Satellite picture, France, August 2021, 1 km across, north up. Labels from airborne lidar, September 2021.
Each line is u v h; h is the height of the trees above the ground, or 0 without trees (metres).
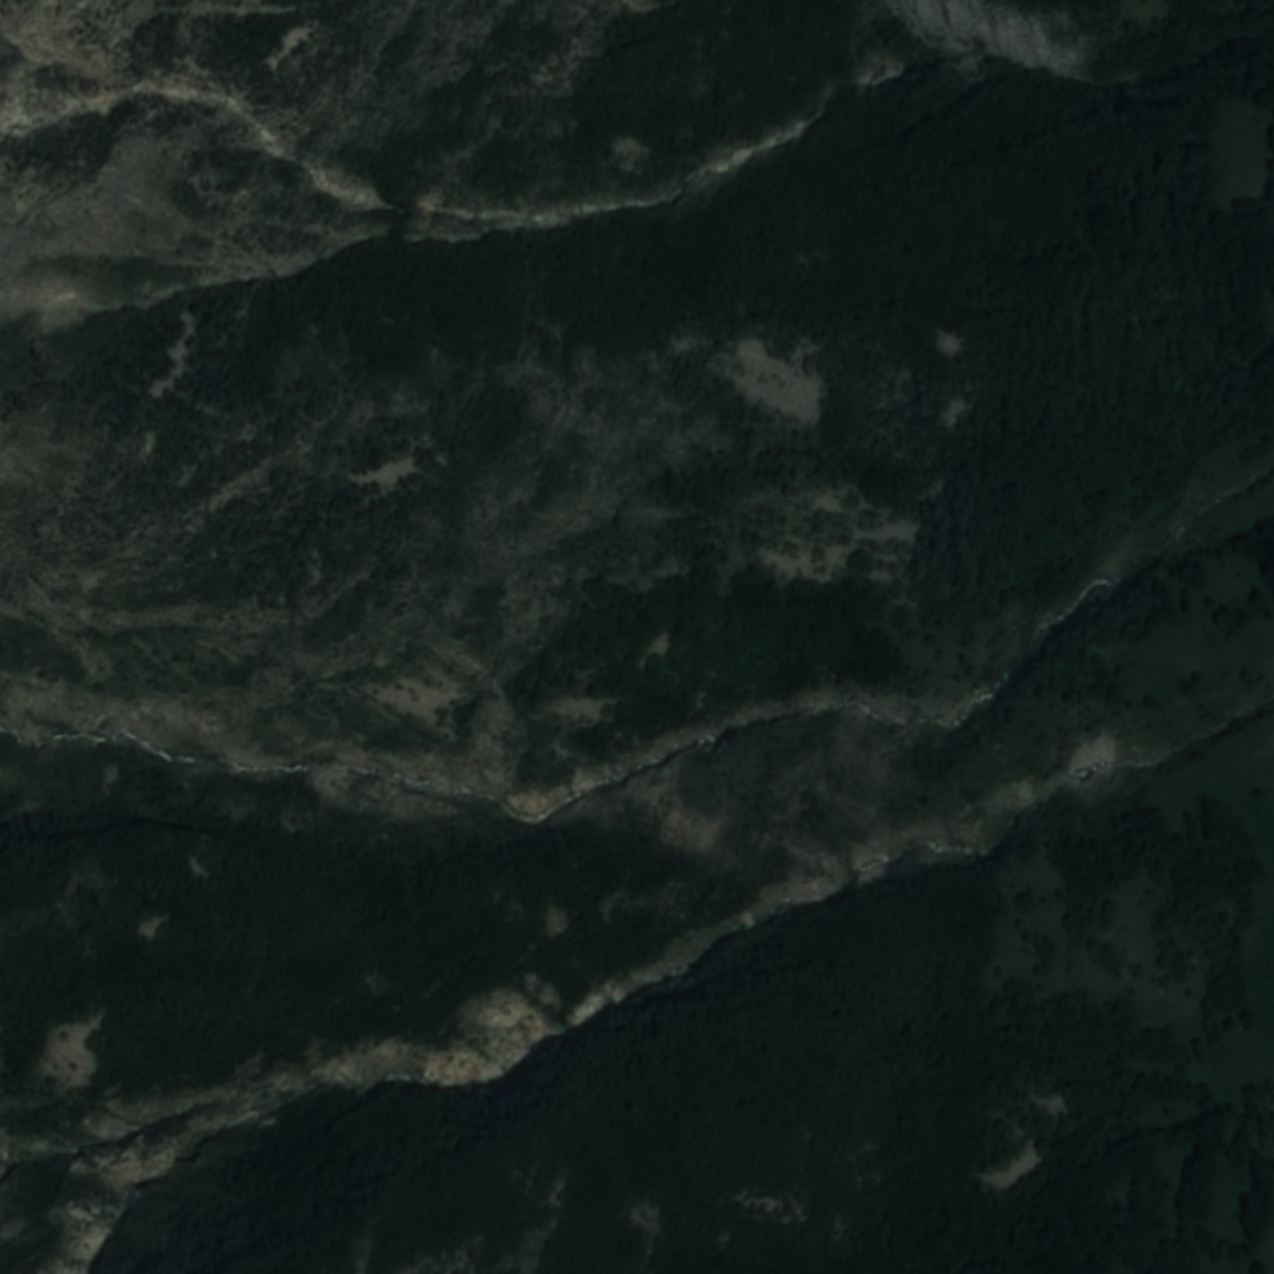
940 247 28
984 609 11
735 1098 22
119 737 0
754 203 13
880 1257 19
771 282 18
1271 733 0
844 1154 9
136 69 9
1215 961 10
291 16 6
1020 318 17
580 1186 10
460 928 11
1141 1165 16
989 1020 12
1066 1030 18
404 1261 6
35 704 0
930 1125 21
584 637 12
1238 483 0
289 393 6
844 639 21
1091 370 20
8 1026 10
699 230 12
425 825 0
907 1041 18
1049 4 25
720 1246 7
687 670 11
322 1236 9
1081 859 15
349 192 0
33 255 0
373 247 7
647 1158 16
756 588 12
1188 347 20
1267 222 24
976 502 23
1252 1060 0
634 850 7
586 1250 11
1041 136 20
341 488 6
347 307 18
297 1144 8
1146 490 11
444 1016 6
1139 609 17
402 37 7
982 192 29
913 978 14
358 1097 15
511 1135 12
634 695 10
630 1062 17
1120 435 17
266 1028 9
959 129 18
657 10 7
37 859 9
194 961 14
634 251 9
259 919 14
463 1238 6
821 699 0
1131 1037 20
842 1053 24
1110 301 18
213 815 6
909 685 7
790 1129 14
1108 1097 16
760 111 11
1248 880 12
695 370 14
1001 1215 19
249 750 0
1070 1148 17
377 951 10
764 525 9
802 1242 8
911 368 10
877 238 20
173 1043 11
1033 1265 16
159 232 0
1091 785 0
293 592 9
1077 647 13
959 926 17
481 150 5
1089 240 7
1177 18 9
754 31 12
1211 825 12
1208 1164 20
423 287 14
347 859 12
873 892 9
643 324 19
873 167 10
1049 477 9
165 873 13
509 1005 0
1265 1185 18
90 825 8
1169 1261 16
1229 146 0
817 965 15
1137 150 28
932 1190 25
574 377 6
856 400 15
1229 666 0
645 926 10
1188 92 18
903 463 11
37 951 7
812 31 13
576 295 14
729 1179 11
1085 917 7
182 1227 6
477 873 12
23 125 0
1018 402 14
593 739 10
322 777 0
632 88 16
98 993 13
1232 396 18
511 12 7
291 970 11
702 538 14
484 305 9
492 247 8
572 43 7
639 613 14
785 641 14
